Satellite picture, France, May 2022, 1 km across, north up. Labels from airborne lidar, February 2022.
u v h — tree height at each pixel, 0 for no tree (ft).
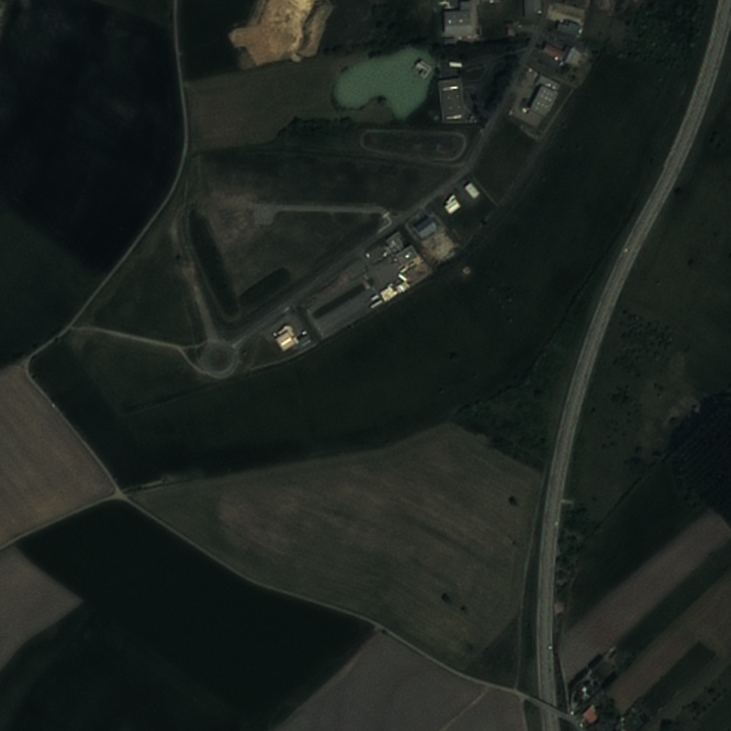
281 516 0
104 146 0
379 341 0
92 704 0
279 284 0
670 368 0
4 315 0
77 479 0
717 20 0
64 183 0
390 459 0
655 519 0
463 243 0
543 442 28
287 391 0
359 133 0
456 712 0
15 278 0
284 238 0
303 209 0
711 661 0
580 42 0
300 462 0
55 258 0
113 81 0
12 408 0
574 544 30
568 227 0
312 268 0
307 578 0
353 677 0
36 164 0
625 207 0
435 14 0
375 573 0
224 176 0
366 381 0
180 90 0
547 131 0
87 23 0
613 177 0
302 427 0
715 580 0
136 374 0
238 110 0
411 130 0
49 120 0
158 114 0
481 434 0
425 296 0
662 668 0
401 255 0
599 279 0
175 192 0
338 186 0
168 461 0
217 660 0
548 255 0
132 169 0
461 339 0
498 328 0
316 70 0
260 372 0
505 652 0
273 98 0
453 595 0
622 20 0
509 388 21
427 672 0
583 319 0
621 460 0
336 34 0
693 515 0
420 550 0
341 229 0
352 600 0
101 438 0
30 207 0
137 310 0
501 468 0
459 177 0
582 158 0
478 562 0
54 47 0
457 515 0
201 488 0
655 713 0
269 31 0
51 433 0
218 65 0
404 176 0
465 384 0
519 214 0
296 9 0
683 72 0
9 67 0
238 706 0
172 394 0
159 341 0
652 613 0
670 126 0
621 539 0
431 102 0
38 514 0
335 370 0
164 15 0
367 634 0
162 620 0
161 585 0
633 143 0
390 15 19
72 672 0
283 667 0
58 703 0
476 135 0
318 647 0
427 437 0
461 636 0
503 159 0
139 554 0
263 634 0
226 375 0
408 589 0
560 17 0
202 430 0
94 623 0
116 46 0
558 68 0
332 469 0
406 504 0
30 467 0
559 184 0
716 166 0
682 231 0
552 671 0
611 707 26
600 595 0
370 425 0
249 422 0
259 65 0
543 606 0
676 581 0
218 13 0
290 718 0
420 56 0
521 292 0
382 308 0
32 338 0
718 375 0
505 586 0
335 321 0
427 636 0
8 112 0
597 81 0
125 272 0
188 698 0
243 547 0
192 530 0
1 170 0
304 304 0
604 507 0
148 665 0
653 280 0
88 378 0
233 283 0
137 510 0
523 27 0
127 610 0
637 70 0
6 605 0
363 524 0
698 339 0
